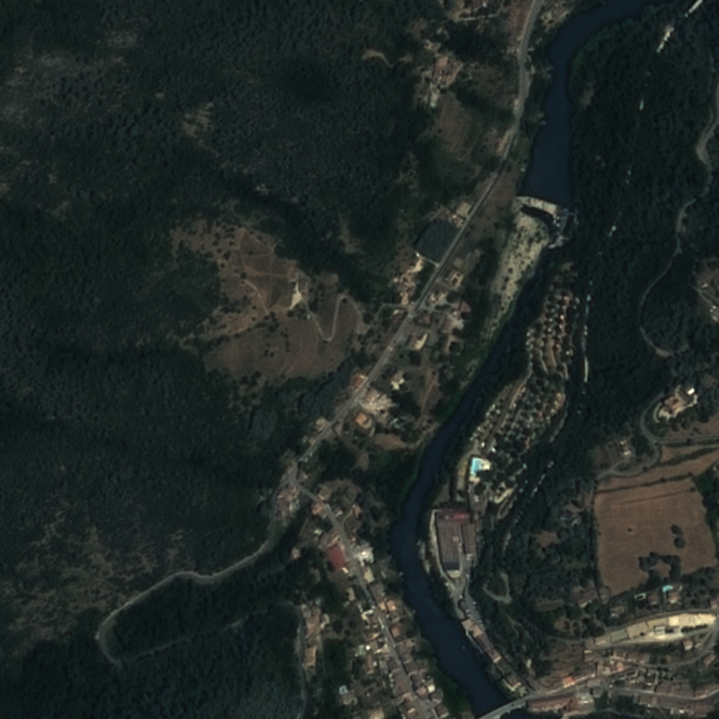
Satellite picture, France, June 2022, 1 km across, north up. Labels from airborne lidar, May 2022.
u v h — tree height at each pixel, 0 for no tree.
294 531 15
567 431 14
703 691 0
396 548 0
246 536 7
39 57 6
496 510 13
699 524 0
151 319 7
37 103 6
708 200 9
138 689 13
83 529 8
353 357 10
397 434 8
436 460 0
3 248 23
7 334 13
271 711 13
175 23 14
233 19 12
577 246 13
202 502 16
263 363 0
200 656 19
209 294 6
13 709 23
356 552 0
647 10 12
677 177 7
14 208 17
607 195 18
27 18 8
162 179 10
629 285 16
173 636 13
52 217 8
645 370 14
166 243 7
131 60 8
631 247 14
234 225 7
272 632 16
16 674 17
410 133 13
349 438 0
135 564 8
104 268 9
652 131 13
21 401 15
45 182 7
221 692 22
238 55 17
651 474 0
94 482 8
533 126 16
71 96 22
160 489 14
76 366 8
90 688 7
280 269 0
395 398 15
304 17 20
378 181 15
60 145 17
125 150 6
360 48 6
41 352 17
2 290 14
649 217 17
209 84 13
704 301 0
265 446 9
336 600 7
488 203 0
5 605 7
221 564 13
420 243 21
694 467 0
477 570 19
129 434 10
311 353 0
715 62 8
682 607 7
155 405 10
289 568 13
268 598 7
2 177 7
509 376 17
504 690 10
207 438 14
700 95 17
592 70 10
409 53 8
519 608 13
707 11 9
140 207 14
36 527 8
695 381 13
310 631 0
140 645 15
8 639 8
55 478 18
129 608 9
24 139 7
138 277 6
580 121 15
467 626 0
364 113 17
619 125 7
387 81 8
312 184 9
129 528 10
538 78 11
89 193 8
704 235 8
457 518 0
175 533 7
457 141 0
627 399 10
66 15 11
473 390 0
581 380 16
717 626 0
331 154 8
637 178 10
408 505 0
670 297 7
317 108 18
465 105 8
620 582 0
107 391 19
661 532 0
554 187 0
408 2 25
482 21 6
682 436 0
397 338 0
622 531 0
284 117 13
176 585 19
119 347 8
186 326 7
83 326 20
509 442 11
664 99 18
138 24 13
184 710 12
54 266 11
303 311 8
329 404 19
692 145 9
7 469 8
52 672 25
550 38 9
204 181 11
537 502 15
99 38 9
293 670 9
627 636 0
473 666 0
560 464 15
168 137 6
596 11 0
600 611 12
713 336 25
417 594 0
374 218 11
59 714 11
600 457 0
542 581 21
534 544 15
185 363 11
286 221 10
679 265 9
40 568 8
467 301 11
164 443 12
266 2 6
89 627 11
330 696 7
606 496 0
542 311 12
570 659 0
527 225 0
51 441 11
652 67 19
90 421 12
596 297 16
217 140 9
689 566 0
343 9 9
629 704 7
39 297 11
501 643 8
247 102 16
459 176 6
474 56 13
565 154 0
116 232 11
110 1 18
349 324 0
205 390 9
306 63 8
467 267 0
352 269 11
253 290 0
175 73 9
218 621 7
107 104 10
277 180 9
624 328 12
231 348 0
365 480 13
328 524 7
